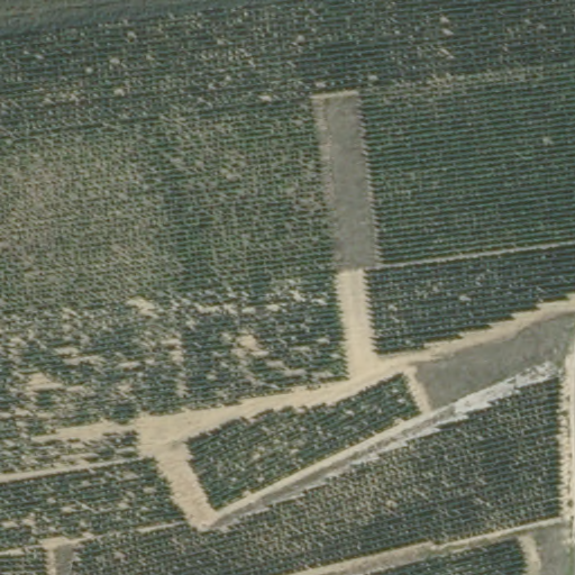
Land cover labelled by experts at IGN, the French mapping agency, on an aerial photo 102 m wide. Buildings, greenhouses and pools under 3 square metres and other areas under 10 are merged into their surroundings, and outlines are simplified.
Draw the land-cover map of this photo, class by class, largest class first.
<instances>
[{"label":"vineyard","instance_id":"1","mask_svg":"<svg viewBox=\"0 0 575 575\"><path fill-rule=\"evenodd\" d=\"M359 90L362 99V121L366 128L368 164L373 177V207L377 216L380 252L384 261L382 270H371L366 274L373 344L377 355L425 350V344L458 339L460 332L485 330L496 321L512 319V314L517 312L535 310L539 303L564 301L571 294H575V0H283L279 4L267 7L236 4L231 11H222L220 7H216L204 9V13L191 11L184 16L168 13V18H137L119 29H99L97 22H85L83 16H72L58 22H38L36 27L25 31L20 27H0V575H58L56 548L63 546H81V559L74 562L72 568L76 575H288L294 571L328 566L420 541L440 544L442 539H460L478 532H492L505 526L550 519L557 517L562 510L559 377L521 386L519 393L494 400L485 409L469 411L465 420L442 425L436 433L409 440L402 449L380 454L375 463L359 465L355 472L328 478L326 485L308 490L301 499L276 503L267 512H258L247 517L245 521H238L229 532L198 530L189 523L186 514L173 503L168 481L157 472V460L139 456L135 431L106 433L101 440L67 438L34 442V436L56 433L61 427H81L99 420H112L124 425L144 413L166 416L177 413L182 409L202 411L213 407H234L240 404V400L245 398L279 395L288 393L294 386L317 389L348 377L344 326L335 288L337 272L332 270V234L328 225H323V218L328 216V202L323 195V162L319 148V133L314 124L312 94ZM418 416L416 400L407 386V377L393 375L335 404L305 407L303 411H294L292 407L276 411L270 409L256 413L254 420L236 418L211 431L189 438L186 447L191 451V467L211 508H222L240 499L245 492L267 487L288 474L308 467L314 460H321L335 451H341L348 445H355L377 431L393 427L395 420ZM526 557L521 544L517 539H499L478 544L460 555L429 557L373 575H523Z\"/></svg>","mask_w":575,"mask_h":575},{"label":"herbaceous vegetation","instance_id":"2","mask_svg":"<svg viewBox=\"0 0 575 575\"><path fill-rule=\"evenodd\" d=\"M314 124L319 133V148L323 162V195L328 202V216L323 218V225H328L332 234V270L337 272L335 288L344 326L348 377L317 389L294 386L288 393L279 395L245 398L240 400V404L234 407H213L202 411L182 409L177 413L166 416L144 413L124 425L112 420H99L81 427H61L56 433L34 436V442L67 438L101 440L106 433L135 431L139 456L157 460V472L168 481L173 503L186 514L189 523L198 530L229 532L238 521H245L247 517L258 512H267L276 503L301 499L308 490L326 485L328 478L355 472L359 465L375 463L380 454L402 449L409 440L436 433L442 425L465 420L469 411L485 409L494 400L519 393L521 386L559 377L562 510L557 517L550 519L505 526L492 532H478L460 539H442L440 544L420 541L328 566L294 571L288 575H373L429 557L460 555L478 544L499 539H517L521 544L526 557L523 575H575V294H571L564 301L539 303L535 310L517 312L512 314V319L496 321L485 330L460 332L458 339L425 344V350L377 355L373 344L366 274L371 270H382L384 261L380 252L377 216L373 207V177L368 164L366 128L362 121V99L359 90L312 94ZM393 375L407 377V386L416 400L418 416L395 420L393 427L377 431L355 445H348L341 451H335L321 460H314L308 467L288 474L267 487L245 492L240 499L222 508H211L191 467V451L186 447L189 438L211 431L236 418L254 420L256 413L270 409L276 411L292 407L294 411H303L305 407L335 404ZM81 559V546H63L56 548L58 575H76L72 568L74 562Z\"/></svg>","mask_w":575,"mask_h":575},{"label":"agricultural land","instance_id":"3","mask_svg":"<svg viewBox=\"0 0 575 575\"><path fill-rule=\"evenodd\" d=\"M283 0H0V27H20L25 31L36 27L38 22H58L72 16H83L85 22H97L99 29H119L137 18H168V13L184 16L191 11L204 13V9L216 7H220L222 11H231L236 4L267 7L279 4Z\"/></svg>","mask_w":575,"mask_h":575}]
</instances>
